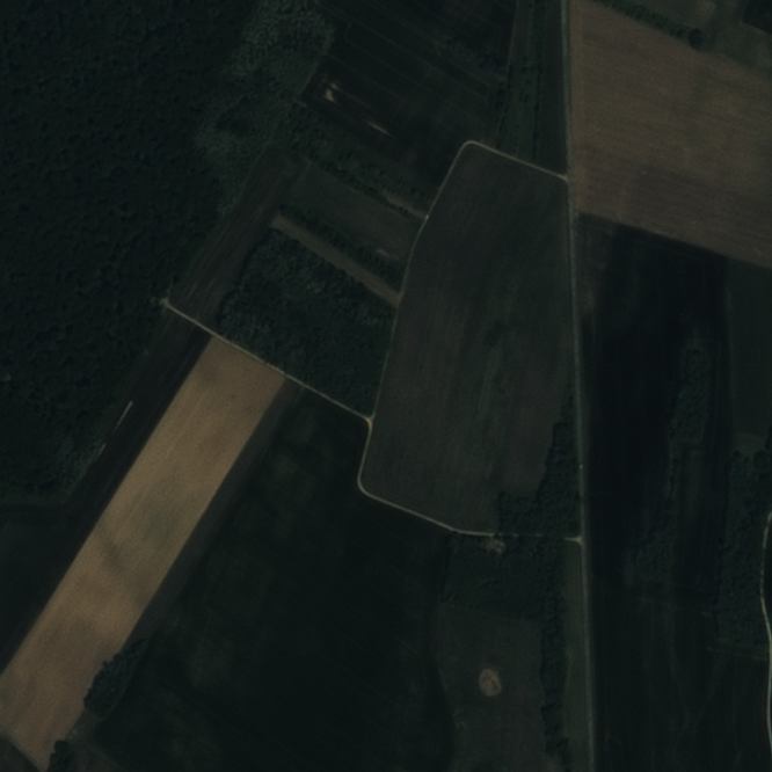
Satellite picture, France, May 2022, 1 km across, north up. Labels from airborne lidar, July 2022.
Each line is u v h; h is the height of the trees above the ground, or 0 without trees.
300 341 15
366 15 0
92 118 25
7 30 24
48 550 0
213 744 0
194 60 22
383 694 0
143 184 29
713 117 0
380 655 0
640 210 0
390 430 0
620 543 0
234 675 0
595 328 0
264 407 0
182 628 0
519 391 0
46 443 11
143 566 0
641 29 0
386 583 0
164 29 24
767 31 0
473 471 0
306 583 0
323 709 0
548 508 21
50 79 24
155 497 0
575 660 0
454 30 0
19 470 10
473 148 0
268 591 0
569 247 0
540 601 11
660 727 0
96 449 17
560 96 0
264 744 0
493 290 0
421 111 0
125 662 17
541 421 0
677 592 0
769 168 0
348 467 0
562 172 0
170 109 22
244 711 0
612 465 0
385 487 0
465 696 0
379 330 14
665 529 18
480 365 0
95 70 22
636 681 0
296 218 9
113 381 29
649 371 0
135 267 26
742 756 0
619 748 0
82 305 28
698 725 0
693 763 0
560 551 18
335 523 0
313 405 0
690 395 17
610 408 0
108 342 27
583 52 0
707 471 0
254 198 0
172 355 0
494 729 0
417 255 0
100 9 20
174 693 0
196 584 0
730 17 0
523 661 0
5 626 0
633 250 0
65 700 0
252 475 0
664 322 0
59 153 20
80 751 0
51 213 27
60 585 0
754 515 14
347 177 13
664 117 0
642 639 0
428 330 0
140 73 18
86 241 26
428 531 0
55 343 28
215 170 21
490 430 0
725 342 0
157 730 0
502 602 12
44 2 26
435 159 0
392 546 0
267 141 22
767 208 0
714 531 0
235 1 22
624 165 0
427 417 0
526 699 0
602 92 0
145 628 0
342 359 14
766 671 0
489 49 0
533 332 0
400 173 0
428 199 9
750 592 13
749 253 0
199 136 19
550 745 6
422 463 0
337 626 0
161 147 26
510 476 0
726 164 0
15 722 0
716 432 0
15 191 26
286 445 0
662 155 0
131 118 22
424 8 0
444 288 0
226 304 14
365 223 0
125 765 0
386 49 0
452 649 0
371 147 0
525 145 0
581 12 0
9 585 0
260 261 17
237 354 0
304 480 0
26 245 26
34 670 0
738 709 0
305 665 0
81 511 0
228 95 20
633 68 0
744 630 16
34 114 23
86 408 28
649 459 0
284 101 21
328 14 0
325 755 0
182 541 0
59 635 0
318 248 0
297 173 0
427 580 0
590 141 0
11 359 28
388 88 0
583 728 0
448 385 0
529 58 8
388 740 0
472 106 0
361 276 0
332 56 0
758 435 0
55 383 26
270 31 28
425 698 0
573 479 20
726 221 0
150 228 26
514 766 0
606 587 0
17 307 24
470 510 0
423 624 0
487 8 0
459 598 13
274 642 0
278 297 16
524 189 0
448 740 0
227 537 0
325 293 21
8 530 0
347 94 0
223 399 0
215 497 0
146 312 27
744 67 0
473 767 0
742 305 0
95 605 0
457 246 0
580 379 0
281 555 0
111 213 25
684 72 0
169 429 0
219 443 0
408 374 0
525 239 0
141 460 0
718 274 0
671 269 0
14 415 9
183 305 0
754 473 15
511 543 16
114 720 0
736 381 0
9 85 26
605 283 0
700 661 0
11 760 0
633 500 0
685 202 0
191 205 23
